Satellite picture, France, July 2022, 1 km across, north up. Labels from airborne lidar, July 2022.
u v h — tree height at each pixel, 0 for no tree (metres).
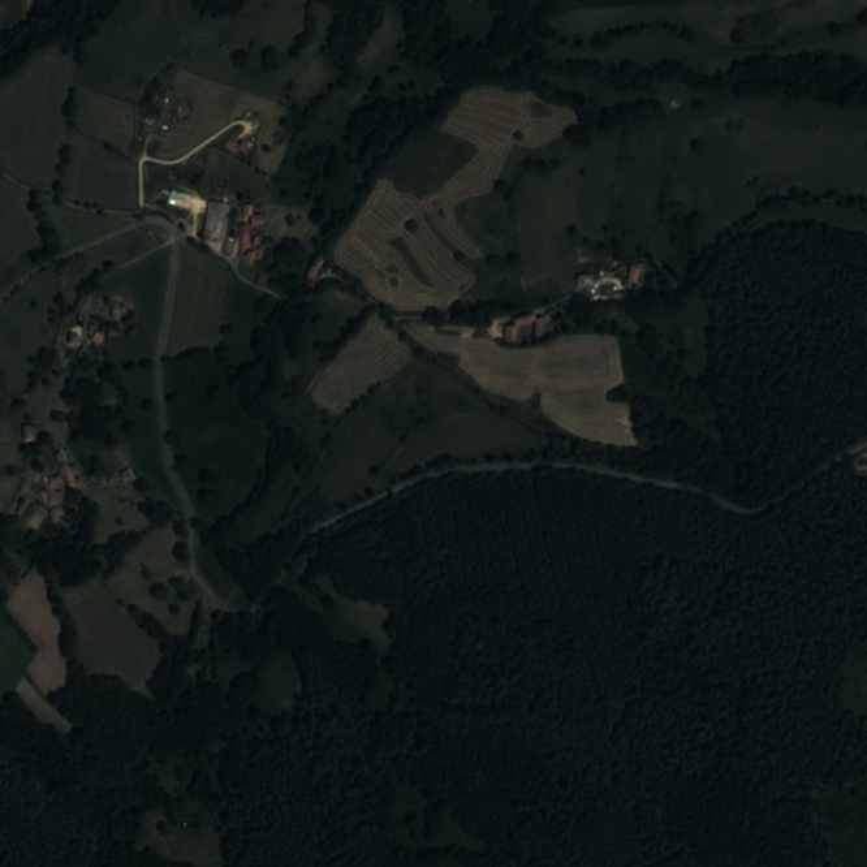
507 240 0
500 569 10
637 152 0
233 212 10
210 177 0
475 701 10
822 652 22
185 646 16
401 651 7
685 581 20
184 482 0
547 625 12
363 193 16
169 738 25
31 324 0
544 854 21
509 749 15
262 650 19
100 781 19
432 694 6
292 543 16
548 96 18
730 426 24
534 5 6
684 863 13
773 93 19
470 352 0
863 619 13
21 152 0
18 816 37
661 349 22
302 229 0
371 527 19
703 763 22
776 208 16
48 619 0
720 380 29
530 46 17
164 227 0
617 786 21
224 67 0
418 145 0
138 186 0
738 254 24
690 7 0
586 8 0
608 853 16
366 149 11
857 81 7
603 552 14
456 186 0
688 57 0
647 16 0
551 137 0
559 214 0
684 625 25
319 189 16
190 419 0
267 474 11
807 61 24
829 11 0
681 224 8
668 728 27
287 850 17
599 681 12
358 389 0
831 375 11
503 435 0
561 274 0
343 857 13
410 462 0
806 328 22
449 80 23
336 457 0
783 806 22
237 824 12
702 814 25
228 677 0
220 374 0
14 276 0
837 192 9
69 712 21
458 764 12
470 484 14
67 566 21
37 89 0
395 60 0
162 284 0
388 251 0
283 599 22
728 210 0
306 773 15
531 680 19
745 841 20
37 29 20
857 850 0
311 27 13
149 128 0
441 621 6
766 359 11
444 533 12
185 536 17
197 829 13
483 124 0
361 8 13
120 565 8
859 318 22
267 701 0
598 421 0
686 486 16
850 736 19
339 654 17
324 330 0
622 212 0
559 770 9
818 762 20
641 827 17
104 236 0
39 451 15
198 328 0
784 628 25
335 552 25
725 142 0
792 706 20
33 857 27
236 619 16
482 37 0
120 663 0
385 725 27
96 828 14
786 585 25
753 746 24
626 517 15
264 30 0
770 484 24
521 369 0
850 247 20
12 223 0
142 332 0
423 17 24
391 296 0
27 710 12
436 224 0
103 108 0
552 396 0
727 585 24
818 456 15
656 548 12
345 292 11
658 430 22
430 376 0
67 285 0
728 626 37
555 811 11
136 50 0
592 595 10
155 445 0
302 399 0
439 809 19
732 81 16
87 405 12
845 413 11
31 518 0
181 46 0
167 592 13
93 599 0
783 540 10
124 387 13
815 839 18
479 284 0
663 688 18
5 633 0
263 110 0
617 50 0
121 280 0
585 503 12
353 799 12
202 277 0
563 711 17
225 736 16
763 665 28
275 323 15
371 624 0
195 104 0
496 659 8
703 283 26
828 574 16
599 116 16
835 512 19
